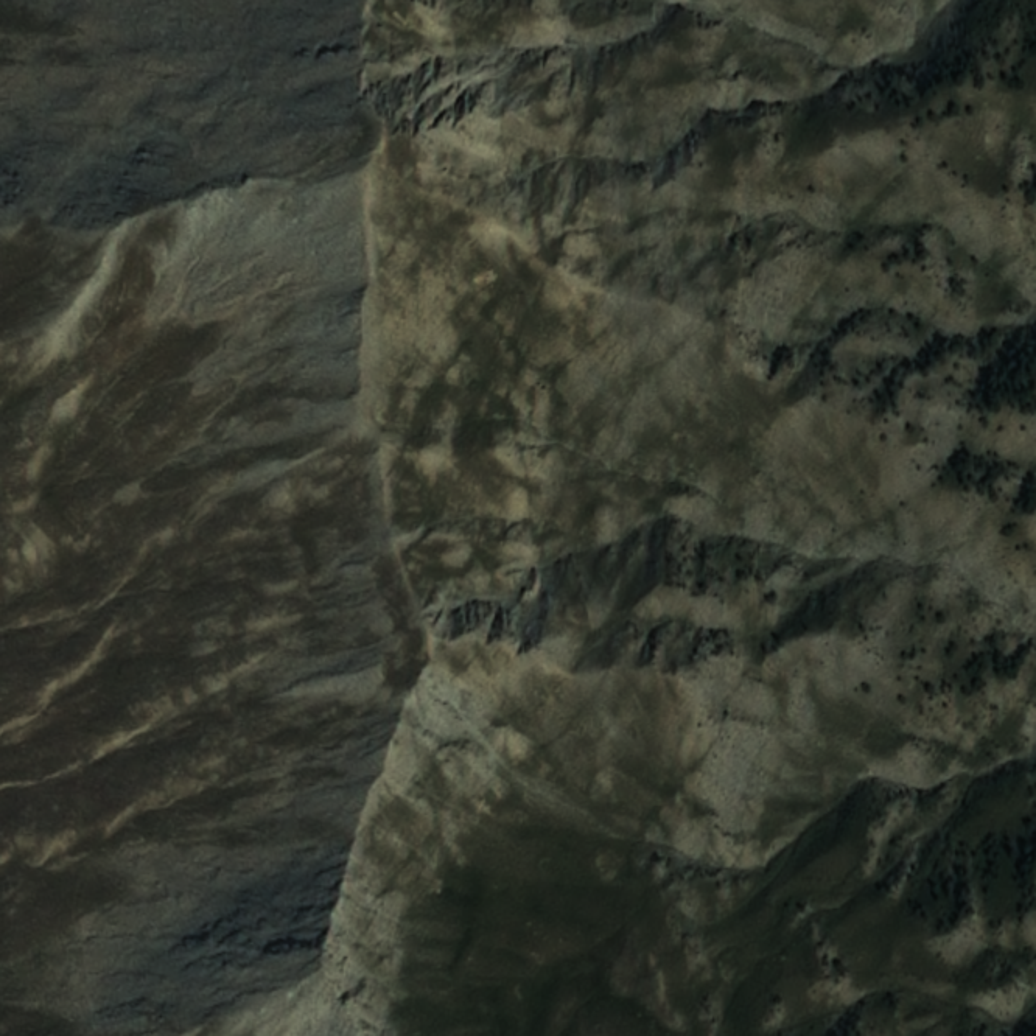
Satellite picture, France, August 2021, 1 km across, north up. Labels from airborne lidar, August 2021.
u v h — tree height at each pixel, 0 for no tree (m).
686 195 0
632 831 0
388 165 0
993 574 0
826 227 0
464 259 0
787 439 0
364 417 0
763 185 0
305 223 0
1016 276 0
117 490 0
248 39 0
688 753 0
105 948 0
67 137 0
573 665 0
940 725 0
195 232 0
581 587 0
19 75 0
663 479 0
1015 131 0
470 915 0
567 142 0
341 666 0
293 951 0
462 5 0
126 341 0
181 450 0
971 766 0
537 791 0
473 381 0
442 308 0
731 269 0
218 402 0
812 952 0
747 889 0
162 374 0
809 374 0
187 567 0
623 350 0
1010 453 0
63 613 0
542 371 0
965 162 0
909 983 0
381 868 0
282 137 0
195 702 0
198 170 0
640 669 0
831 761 0
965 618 0
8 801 0
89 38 0
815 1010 0
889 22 0
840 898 0
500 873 0
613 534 0
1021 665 15
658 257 0
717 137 0
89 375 0
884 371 10
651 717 0
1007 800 0
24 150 0
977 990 0
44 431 0
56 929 0
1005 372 7
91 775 0
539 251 0
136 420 0
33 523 0
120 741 0
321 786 0
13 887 0
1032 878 14
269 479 0
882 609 0
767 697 0
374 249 0
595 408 0
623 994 0
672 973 0
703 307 0
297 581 0
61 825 0
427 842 0
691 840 0
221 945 0
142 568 0
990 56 8
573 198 0
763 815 0
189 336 0
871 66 0
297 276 0
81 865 0
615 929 0
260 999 0
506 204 0
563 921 0
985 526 0
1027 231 0
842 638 0
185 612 0
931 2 0
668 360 0
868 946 0
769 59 0
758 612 0
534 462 0
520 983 0
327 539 0
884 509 0
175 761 0
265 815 0
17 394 0
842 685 0
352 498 0
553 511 0
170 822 0
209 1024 0
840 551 0
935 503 0
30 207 0
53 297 0
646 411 0
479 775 0
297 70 0
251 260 0
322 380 0
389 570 0
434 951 0
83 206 0
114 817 0
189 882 0
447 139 0
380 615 0
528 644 0
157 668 0
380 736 0
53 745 0
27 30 0
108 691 0
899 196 0
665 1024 0
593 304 0
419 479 0
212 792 0
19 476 0
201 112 0
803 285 0
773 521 0
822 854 0
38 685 0
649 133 0
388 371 0
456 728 0
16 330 0
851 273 0
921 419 0
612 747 0
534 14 0
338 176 0
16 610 0
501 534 0
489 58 0
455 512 0
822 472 0
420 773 0
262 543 0
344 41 0
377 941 0
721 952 0
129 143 0
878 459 0
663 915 0
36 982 0
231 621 0
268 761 0
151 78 0
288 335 0
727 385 0
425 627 0
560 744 0
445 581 0
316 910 0
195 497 0
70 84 0
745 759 0
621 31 0
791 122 0
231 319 0
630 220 0
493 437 0
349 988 0
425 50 0
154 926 0
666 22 0
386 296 0
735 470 0
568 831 0
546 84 0
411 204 0
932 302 0
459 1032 0
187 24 0
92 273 0
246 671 0
